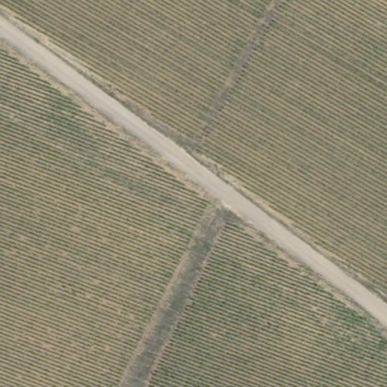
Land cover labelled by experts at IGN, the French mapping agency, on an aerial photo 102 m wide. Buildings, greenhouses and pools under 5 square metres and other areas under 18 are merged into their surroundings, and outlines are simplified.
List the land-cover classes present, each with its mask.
<instances>
[{"label":"vineyard","instance_id":"1","mask_svg":"<svg viewBox=\"0 0 387 387\"><path fill-rule=\"evenodd\" d=\"M0 5L14 11L15 18L21 23L29 24L33 29L44 33L53 44L86 62L89 71L103 77L101 83L100 80L91 77V74L79 70L77 74L83 79L97 86L125 109L135 113L145 124L180 145L201 166L213 172L222 183L233 187L252 206L262 210L268 218L274 219L277 224L307 243L313 251L330 260L340 271L345 272L348 277L366 287L387 304V0H0ZM0 387H387V327L345 290L302 262L298 255H293L289 249L269 239L268 234L243 221L236 213L224 209L219 198L210 195L209 200H204L195 190L187 189L174 175L163 171L148 157L142 156L139 148L118 138L115 132L106 128L104 122L97 121L91 113L80 109L79 104L74 103L70 97L51 88L48 82L30 71L17 57H12L8 50L0 48Z\"/></svg>","mask_w":387,"mask_h":387},{"label":"pervious surface","instance_id":"2","mask_svg":"<svg viewBox=\"0 0 387 387\"><path fill-rule=\"evenodd\" d=\"M0 48L8 50L12 57H17L30 71L48 82L51 88L70 97L74 103L79 104L80 109L91 113L97 121L104 122L106 128L115 132L118 138L139 148L142 156L148 157L163 171L174 175L187 189L195 190L204 200H209L210 195L219 198L224 209L236 213L243 221L268 234L269 239L289 249L293 255H298L302 262L345 290L387 327V304L366 287L348 277L345 272L340 271L330 260L313 251L307 243L277 224L274 219L268 218L262 210L252 206L233 187L222 183L213 172L201 166L180 145L145 124L135 113L125 109L97 86L83 79L77 74L79 70L91 74V77L100 80L101 83L103 77L89 71L86 62L53 44L44 33L33 29L29 24L21 23L15 18L14 11L0 5Z\"/></svg>","mask_w":387,"mask_h":387}]
</instances>
